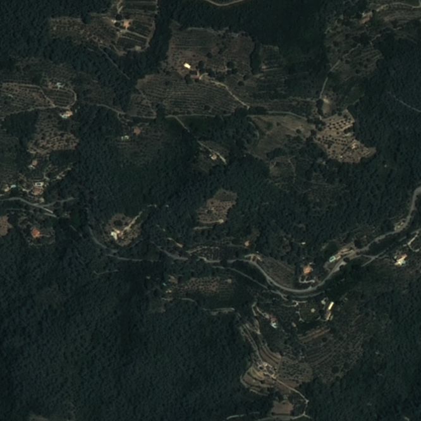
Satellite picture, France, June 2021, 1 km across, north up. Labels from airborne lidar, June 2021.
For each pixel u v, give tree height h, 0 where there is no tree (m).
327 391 22
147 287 23
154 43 11
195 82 10
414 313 26
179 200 18
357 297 8
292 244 19
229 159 10
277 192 12
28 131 10
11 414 12
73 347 18
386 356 13
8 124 8
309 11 8
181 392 15
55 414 14
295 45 6
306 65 6
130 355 16
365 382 10
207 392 15
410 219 8
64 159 11
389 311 12
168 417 16
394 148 9
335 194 6
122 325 17
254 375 0
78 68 19
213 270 16
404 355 16
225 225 19
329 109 0
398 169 7
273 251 11
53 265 23
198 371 21
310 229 18
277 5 7
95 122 11
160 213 20
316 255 15
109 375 22
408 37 8
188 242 21
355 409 9
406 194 13
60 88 6
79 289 11
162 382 13
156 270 8
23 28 10
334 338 6
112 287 17
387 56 11
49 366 22
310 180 8
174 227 22
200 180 12
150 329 21
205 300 11
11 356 13
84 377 20
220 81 12
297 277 7
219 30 15
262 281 7
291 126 0
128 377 16
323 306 7
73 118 12
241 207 12
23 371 18
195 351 18
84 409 19
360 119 8
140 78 11
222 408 13
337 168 7
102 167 14
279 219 15
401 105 9
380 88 14
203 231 11
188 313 18
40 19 18
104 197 15
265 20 8
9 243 19
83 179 21
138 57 18
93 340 19
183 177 16
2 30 19
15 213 13
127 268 14
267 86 7
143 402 18
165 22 13
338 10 16
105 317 23
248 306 19
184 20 12
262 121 0
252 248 11
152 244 13
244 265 14
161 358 12
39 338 22
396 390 14
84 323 12
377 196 21
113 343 16
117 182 11
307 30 6
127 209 10
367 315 12
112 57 18
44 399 20
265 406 11
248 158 15
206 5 6
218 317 6
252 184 11
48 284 9
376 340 7
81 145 21
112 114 8
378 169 22
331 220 19
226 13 7
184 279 19
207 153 9
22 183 10
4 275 6
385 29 7
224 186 15
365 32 7
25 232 13
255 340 8
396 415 8
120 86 19
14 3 11
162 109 8
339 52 8
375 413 7
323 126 9
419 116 11
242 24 9
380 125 17
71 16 20
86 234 17
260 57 10
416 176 23
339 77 0
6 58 11
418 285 17
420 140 8
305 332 6
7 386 15
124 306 17
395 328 17
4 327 23
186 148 13
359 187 17
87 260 23
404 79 10
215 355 18
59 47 20
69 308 13
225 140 10
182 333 21
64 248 14
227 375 13
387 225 13
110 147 9
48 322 25
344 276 14
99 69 18
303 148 7
